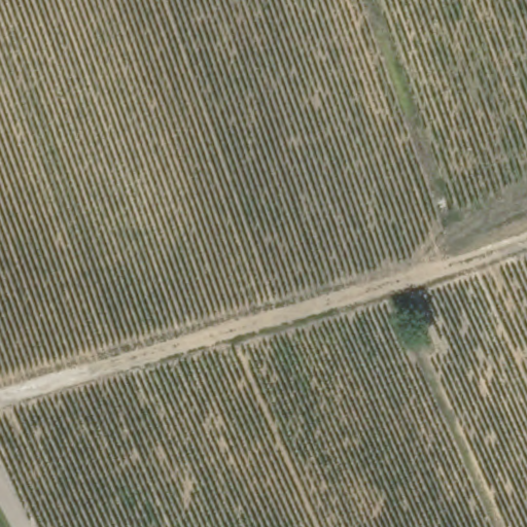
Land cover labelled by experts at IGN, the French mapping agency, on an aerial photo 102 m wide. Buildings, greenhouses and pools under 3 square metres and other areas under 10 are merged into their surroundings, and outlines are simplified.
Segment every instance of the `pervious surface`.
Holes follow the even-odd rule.
[[[395,309],[399,333],[397,344],[401,350],[420,350],[432,344],[428,336],[430,325],[422,319],[420,311]]]
[[[113,358],[89,362],[82,366],[66,368],[60,373],[25,381],[21,385],[0,389],[0,418],[8,416],[23,397],[54,393],[76,383],[97,381],[105,377],[111,379],[119,371],[130,371],[132,366],[142,366],[146,362],[159,362],[169,354],[181,354],[200,346],[212,348],[218,340],[231,340],[247,331],[280,325],[284,321],[294,321],[327,309],[346,307],[383,294],[393,294],[412,286],[420,286],[445,274],[453,274],[459,270],[492,261],[513,249],[527,247],[527,231],[515,237],[480,245],[476,249],[467,249],[459,255],[445,257],[432,264],[412,266],[403,272],[362,282],[352,288],[327,292],[305,303],[226,321],[183,338],[159,342],[148,348],[130,350]]]
[[[37,527],[35,519],[27,517],[29,508],[19,502],[10,478],[0,461],[0,527]]]

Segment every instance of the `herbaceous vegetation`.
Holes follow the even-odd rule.
[[[527,231],[527,165],[521,165],[521,181],[500,187],[498,200],[486,204],[476,214],[465,214],[461,220],[438,231],[436,241],[445,257],[459,255],[467,249],[476,249],[480,245],[515,237]]]

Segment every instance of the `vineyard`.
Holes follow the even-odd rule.
[[[498,200],[500,187],[521,181],[521,165],[527,165],[527,0],[0,0],[0,389],[21,385],[25,381],[60,373],[66,368],[82,366],[89,362],[113,358],[130,350],[148,348],[159,342],[183,338],[226,321],[305,303],[327,292],[352,288],[362,282],[403,272],[412,266],[432,264],[445,257],[436,241],[438,231],[461,220],[465,214],[476,214],[486,204]]]
[[[422,319],[430,325],[428,336],[432,344],[420,350],[401,350],[397,344],[399,333],[395,309],[420,311]],[[54,393],[23,397],[8,416],[0,418],[0,461],[10,478],[19,502],[29,508],[27,517],[35,519],[37,527],[527,527],[527,247],[513,249],[492,261],[459,270],[453,274],[445,274],[420,286],[412,286],[393,294],[383,294],[346,307],[327,309],[294,321],[284,321],[280,325],[247,331],[231,340],[218,340],[212,348],[200,346],[181,354],[169,354],[159,362],[146,362],[142,366],[132,366],[130,371],[119,371],[111,379],[105,377],[97,381],[76,383]]]

